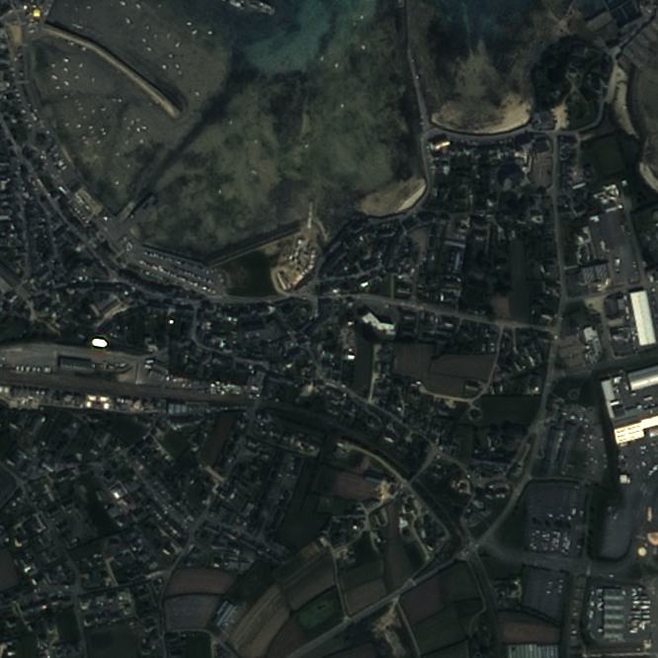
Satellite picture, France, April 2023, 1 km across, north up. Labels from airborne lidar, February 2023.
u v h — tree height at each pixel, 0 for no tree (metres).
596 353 0
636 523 0
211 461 0
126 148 0
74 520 0
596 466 0
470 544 0
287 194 0
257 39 0
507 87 0
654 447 0
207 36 0
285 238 0
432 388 0
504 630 0
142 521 0
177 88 0
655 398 0
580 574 0
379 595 0
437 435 0
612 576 0
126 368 0
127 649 0
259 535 0
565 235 0
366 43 0
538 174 0
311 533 0
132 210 0
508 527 0
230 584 0
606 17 0
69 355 0
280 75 0
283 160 0
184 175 0
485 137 0
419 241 0
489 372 0
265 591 0
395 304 0
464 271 9
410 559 0
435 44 0
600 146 0
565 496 0
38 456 0
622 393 0
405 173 0
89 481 0
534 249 11
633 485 0
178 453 0
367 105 0
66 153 0
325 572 0
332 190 0
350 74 0
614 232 0
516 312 0
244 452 0
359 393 0
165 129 0
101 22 0
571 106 0
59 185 0
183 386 0
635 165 6
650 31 0
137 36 0
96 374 0
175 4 0
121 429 0
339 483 0
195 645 0
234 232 0
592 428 0
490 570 0
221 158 0
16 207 0
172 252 0
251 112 0
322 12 0
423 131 0
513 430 12
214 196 0
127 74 0
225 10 0
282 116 0
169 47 0
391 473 0
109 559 0
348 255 6
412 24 0
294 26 0
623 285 0
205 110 0
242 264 0
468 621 0
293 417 6
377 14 0
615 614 0
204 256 0
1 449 0
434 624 0
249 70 0
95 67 0
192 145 0
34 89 0
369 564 0
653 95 0
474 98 0
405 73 0
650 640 0
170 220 0
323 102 0
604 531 0
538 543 0
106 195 0
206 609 0
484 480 0
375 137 0
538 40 0
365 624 7
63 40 0
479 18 0
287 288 0
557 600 0
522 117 0
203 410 0
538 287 0
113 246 0
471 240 5
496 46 0
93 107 0
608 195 0
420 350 0
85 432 6
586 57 0
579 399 0
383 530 0
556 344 0
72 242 0
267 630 0
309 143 0
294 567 0
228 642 0
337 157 0
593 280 0
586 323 0
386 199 0
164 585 0
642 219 0
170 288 0
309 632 0
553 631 0
